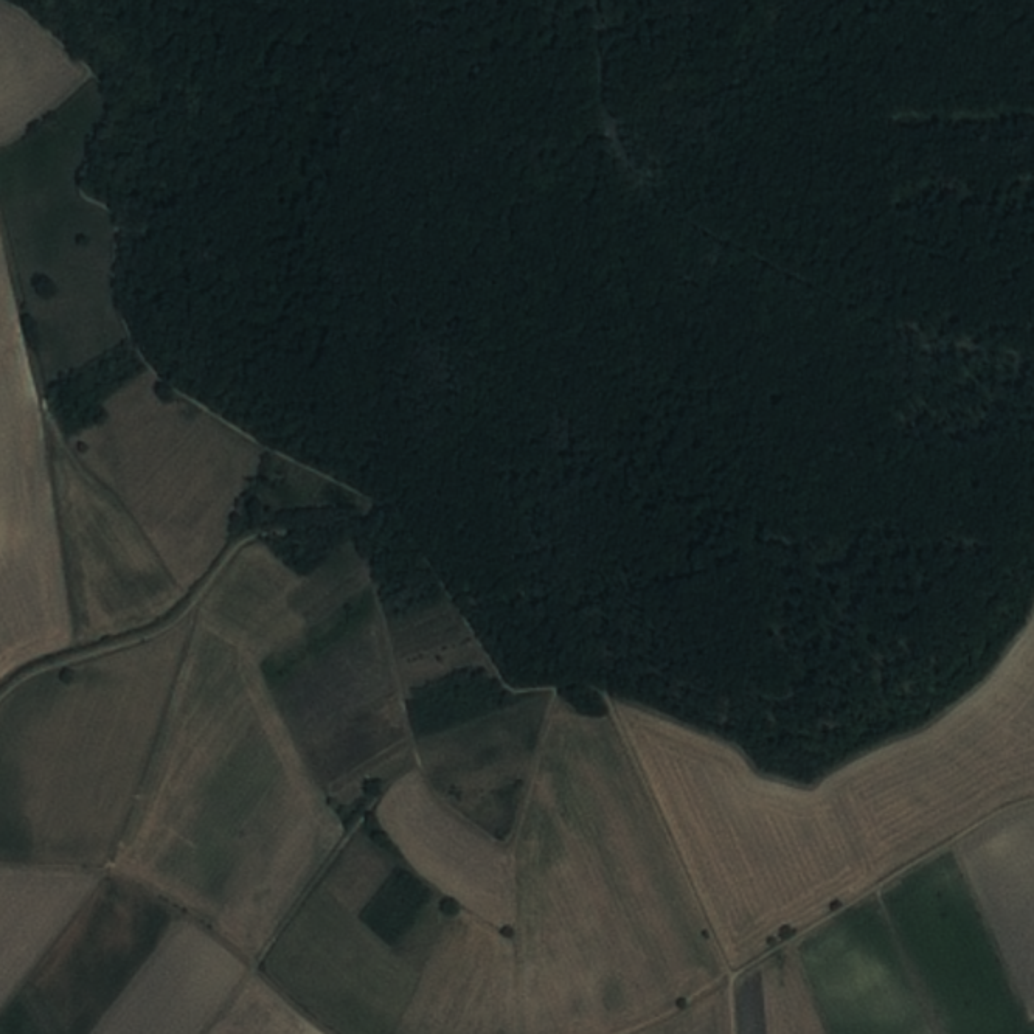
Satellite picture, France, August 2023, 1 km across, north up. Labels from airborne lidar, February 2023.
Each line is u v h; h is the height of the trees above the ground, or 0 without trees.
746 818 0
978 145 18
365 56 23
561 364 21
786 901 0
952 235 25
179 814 0
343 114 19
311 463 12
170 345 15
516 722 0
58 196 0
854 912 0
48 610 0
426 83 23
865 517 27
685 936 0
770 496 23
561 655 17
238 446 0
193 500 0
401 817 0
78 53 19
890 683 10
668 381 22
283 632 0
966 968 0
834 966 0
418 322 24
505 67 24
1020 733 0
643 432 9
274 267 19
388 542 22
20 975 0
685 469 23
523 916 0
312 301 16
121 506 0
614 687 14
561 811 0
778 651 24
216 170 19
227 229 21
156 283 21
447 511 19
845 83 16
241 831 0
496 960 0
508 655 19
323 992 0
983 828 0
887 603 25
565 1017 0
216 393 18
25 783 0
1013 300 24
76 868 0
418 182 26
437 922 0
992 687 0
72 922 0
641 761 0
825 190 19
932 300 24
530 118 23
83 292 0
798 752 19
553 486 20
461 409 24
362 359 24
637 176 13
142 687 0
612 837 0
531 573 19
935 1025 0
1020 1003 0
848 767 0
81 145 0
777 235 22
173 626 0
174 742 0
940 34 23
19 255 0
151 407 0
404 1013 0
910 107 22
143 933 0
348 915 0
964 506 25
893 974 0
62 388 10
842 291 23
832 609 24
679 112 19
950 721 0
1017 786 0
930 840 0
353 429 23
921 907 0
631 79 20
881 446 22
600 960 0
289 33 23
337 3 23
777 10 17
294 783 0
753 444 23
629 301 22
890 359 24
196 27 24
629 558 23
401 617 9
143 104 7
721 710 21
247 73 22
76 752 0
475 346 25
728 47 23
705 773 0
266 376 20
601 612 14
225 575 0
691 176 21
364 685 0
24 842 0
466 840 0
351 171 22
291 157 22
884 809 0
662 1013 0
